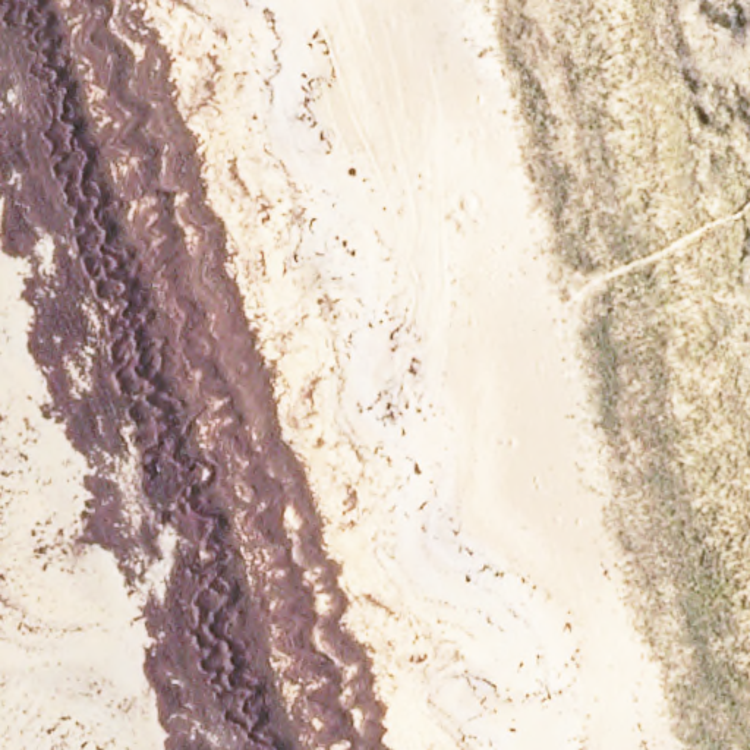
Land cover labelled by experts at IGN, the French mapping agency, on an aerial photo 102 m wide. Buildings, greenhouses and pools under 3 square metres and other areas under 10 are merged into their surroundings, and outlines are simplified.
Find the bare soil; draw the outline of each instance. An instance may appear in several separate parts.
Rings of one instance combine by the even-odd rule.
[[[750,750],[750,0],[0,0],[0,750]]]

